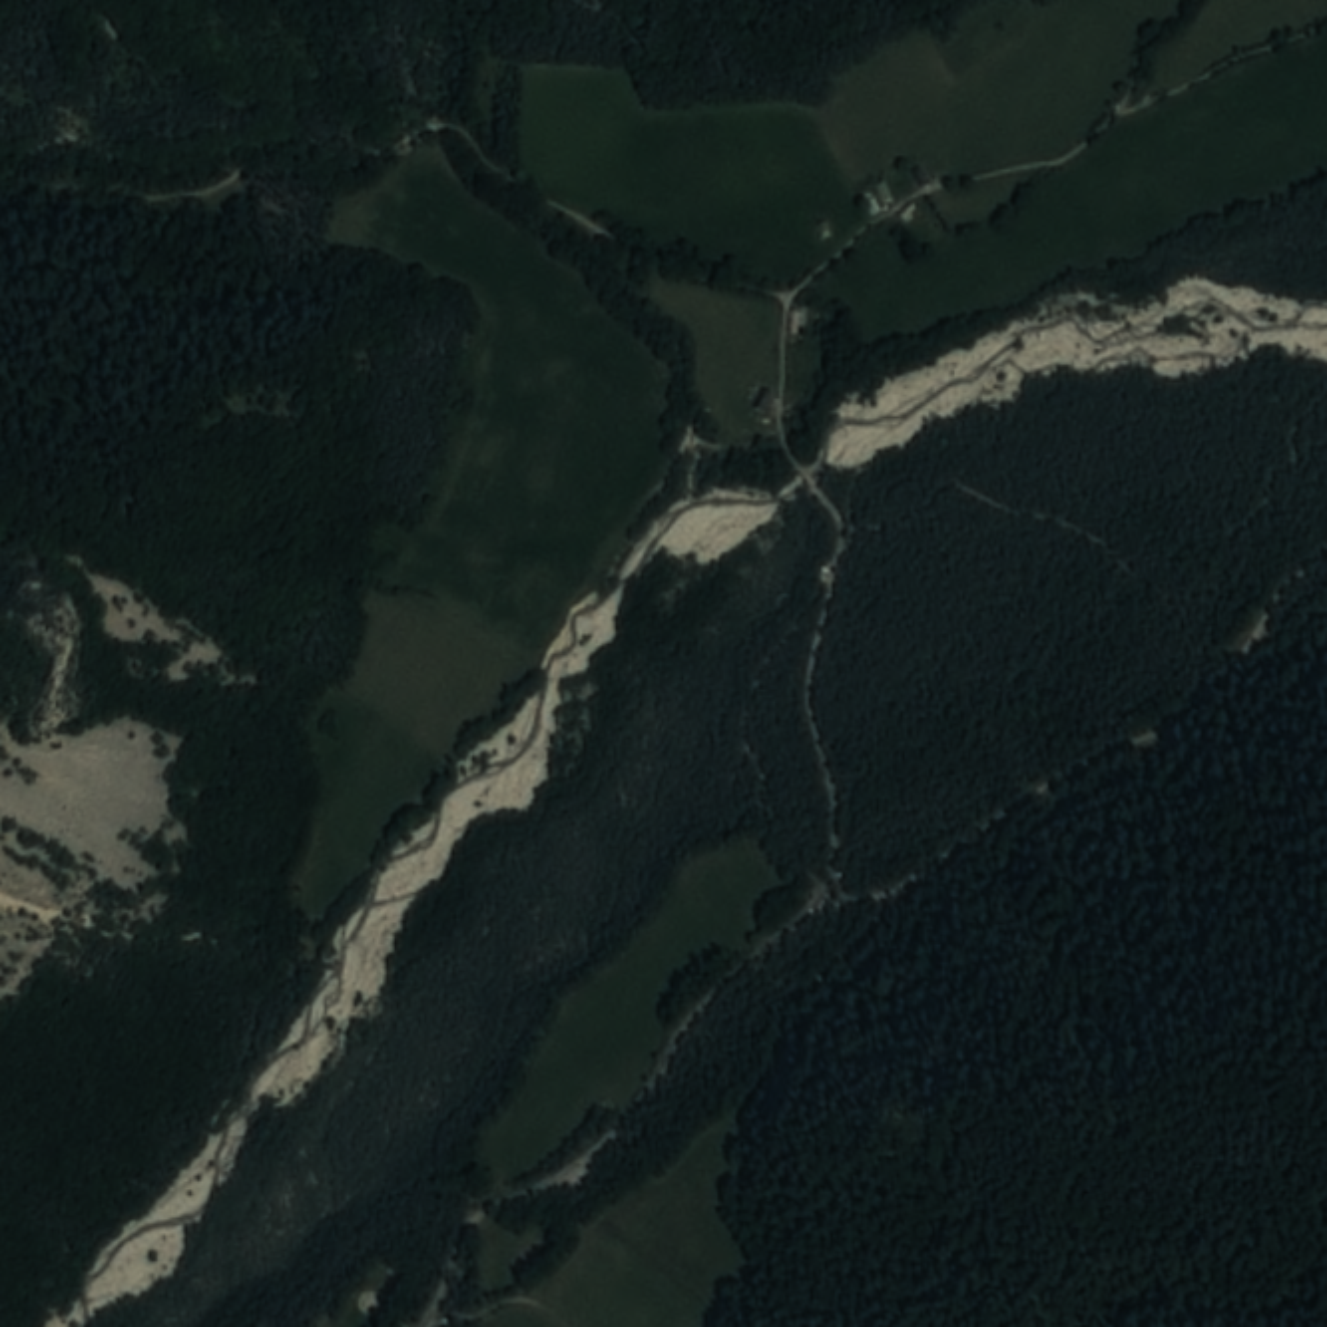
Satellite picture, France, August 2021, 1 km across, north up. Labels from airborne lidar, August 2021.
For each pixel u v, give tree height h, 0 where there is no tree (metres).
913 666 7
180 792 9
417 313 12
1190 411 11
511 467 0
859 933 13
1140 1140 23
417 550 0
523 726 0
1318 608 8
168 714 16
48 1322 8
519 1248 0
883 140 0
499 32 13
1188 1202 26
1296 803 26
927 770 11
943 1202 28
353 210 0
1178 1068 22
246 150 12
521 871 6
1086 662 15
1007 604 10
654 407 0
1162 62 0
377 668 0
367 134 12
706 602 5
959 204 0
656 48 12
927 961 20
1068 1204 20
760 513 0
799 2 21
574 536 0
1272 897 27
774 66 19
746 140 0
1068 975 27
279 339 28
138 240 26
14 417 14
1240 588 10
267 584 15
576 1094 0
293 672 20
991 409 8
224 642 15
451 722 0
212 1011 13
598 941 9
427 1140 7
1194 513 12
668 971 0
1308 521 8
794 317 0
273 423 14
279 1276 6
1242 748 14
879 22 19
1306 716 16
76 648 6
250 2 17
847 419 0
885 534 11
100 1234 11
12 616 6
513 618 0
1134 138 0
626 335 0
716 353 0
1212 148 0
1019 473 7
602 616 0
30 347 27
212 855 14
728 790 9
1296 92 0
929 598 9
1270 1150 27
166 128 14
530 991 11
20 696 6
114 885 8
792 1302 23
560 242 15
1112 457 8
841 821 11
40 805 0
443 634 0
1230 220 15
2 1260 13
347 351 16
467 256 0
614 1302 0
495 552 0
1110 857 33
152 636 8
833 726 11
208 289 10
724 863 0
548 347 0
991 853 20
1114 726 14
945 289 0
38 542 19
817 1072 21
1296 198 13
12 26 14
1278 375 8
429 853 0
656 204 0
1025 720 13
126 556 16
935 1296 12
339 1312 12
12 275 16
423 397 12
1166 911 29
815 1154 16
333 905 8
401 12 12
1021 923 13
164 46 20
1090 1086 12
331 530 20
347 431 18
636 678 7
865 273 0
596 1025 0
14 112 11
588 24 11
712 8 20
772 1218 21
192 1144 11
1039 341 0
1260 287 7
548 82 0
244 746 17
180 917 13
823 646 8
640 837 6
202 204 7
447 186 0
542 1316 0
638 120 0
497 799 0
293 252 24
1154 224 0
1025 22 0
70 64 17
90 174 18
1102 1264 30
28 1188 12
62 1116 14
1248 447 11
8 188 9
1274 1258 16
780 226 0
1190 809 26
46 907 0
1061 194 0
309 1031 0
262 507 13
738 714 7
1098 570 8
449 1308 10
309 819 18
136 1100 15
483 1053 7
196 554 21
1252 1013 30
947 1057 14
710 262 8
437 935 6
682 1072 10
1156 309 0
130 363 14
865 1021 8
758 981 12
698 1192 0
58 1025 16
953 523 9
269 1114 7
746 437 0
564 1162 9
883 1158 14
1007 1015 19
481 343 0
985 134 0
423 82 12
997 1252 25
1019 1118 22
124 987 8
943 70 0
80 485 18
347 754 0
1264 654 12
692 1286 0
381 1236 11
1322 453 11
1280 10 0
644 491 0
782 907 15
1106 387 8
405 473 16
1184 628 10
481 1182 18
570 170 0
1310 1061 20
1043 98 0
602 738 7
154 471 21
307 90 17
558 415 0
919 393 0
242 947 12
